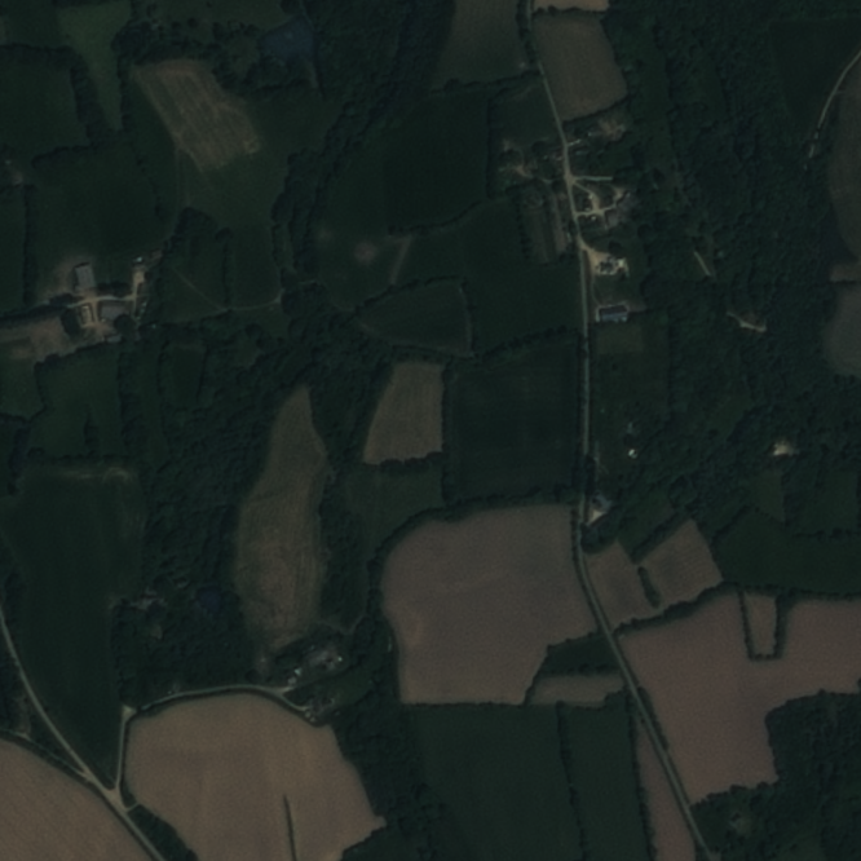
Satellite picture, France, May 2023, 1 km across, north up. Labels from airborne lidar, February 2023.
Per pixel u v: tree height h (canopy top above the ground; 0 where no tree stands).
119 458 7
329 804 0
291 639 0
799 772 16
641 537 0
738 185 22
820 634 0
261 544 0
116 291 20
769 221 15
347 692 0
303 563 0
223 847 0
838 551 0
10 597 13
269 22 0
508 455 0
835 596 6
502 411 0
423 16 30
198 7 0
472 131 0
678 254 19
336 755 0
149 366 0
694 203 15
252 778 0
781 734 14
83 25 0
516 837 0
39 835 0
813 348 11
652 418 6
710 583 0
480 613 0
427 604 0
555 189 9
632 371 0
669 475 9
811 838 0
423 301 0
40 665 0
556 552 0
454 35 0
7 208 0
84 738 0
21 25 0
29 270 12
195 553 8
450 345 0
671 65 17
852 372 0
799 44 0
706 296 19
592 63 0
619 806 0
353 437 8
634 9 24
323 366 11
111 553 0
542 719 0
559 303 0
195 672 6
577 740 0
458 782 0
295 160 13
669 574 0
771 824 10
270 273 0
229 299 6
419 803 17
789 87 0
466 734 0
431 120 0
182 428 8
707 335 18
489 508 5
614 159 0
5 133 0
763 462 9
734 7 15
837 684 0
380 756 12
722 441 16
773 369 12
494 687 0
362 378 6
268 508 0
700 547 0
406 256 0
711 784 0
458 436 0
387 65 21
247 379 16
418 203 0
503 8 0
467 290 12
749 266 9
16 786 0
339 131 11
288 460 0
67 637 0
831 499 0
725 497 14
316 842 0
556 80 0
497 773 0
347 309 0
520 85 9
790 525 14
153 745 0
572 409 0
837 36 0
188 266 0
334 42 21
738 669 0
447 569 0
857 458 14
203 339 18
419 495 0
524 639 0
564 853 0
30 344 0
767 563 0
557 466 0
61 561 0
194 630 7
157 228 0
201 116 0
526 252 9
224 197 0
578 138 6
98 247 0
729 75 21
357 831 0
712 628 0
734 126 8
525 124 0
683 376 14
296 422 0
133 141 9
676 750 0
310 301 12
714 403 15
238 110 0
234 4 0
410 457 0
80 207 0
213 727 0
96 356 13
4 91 0
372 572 16
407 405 0
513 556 0
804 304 15
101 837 0
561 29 0
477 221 0
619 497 9
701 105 10
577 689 0
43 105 0
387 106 26
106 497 0
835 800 9
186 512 7
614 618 0
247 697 0
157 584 12
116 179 0
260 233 0
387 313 0
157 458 0
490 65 0
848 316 0
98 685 0
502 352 15
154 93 0
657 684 0
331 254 0
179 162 0
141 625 12
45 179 0
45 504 0
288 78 11
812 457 23
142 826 7
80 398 0
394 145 0
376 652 17
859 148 0
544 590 0
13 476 13
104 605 0
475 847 0
